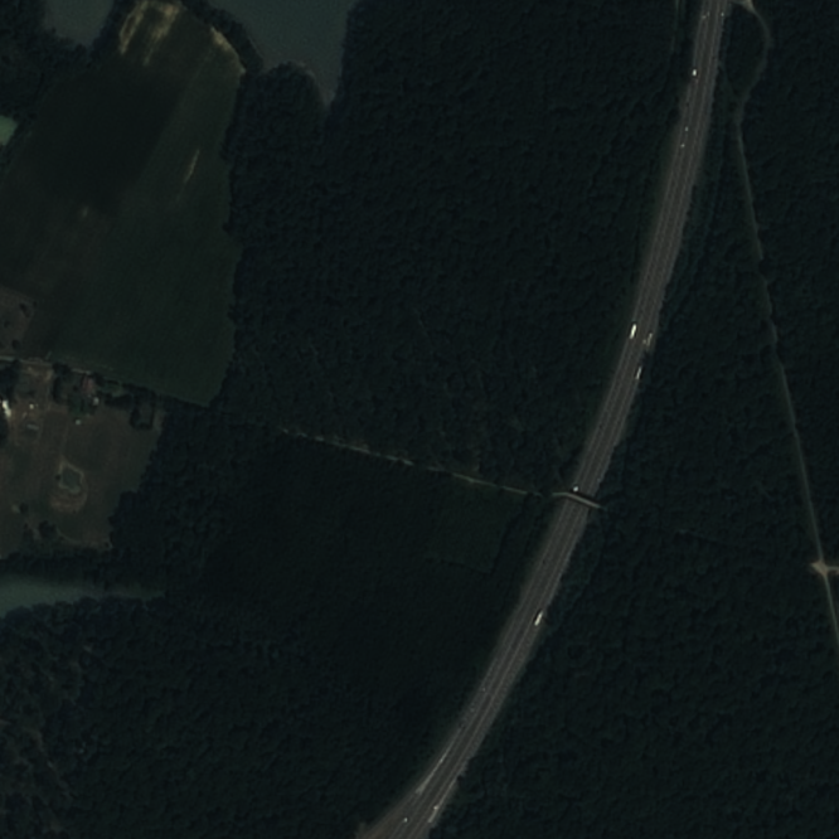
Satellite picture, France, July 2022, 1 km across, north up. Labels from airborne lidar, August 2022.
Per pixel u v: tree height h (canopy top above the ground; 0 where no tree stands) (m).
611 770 23
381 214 19
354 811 23
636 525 20
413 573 12
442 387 24
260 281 23
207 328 0
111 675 25
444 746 0
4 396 10
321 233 17
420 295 23
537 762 18
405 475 12
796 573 25
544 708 24
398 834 0
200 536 25
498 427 20
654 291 0
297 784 24
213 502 18
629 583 19
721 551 22
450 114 22
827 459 19
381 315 26
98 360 0
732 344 21
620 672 25
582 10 22
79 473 0
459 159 22
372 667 12
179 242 0
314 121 17
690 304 19
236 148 22
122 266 0
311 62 0
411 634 10
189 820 18
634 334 0
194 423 25
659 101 17
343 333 23
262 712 22
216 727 23
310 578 10
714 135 7
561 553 0
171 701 19
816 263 23
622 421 0
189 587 20
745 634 24
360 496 12
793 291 25
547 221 21
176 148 0
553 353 20
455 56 19
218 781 25
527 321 20
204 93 0
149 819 21
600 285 21
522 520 13
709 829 21
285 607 11
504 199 23
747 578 24
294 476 19
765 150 27
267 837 22
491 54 19
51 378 0
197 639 23
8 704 25
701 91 0
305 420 20
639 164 17
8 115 13
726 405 22
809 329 22
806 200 22
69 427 0
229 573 21
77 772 28
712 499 20
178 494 27
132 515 25
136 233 0
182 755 23
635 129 15
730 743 19
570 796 12
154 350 0
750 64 21
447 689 17
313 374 21
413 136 22
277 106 23
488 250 21
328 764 18
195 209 0
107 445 0
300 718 22
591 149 18
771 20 7
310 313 28
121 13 10
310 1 0
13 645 27
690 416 26
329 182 8
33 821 24
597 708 24
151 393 11
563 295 17
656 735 28
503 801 19
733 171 18
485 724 0
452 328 21
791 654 28
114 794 19
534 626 0
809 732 25
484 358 20
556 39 26
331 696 25
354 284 25
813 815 28
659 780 25
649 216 11
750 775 24
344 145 23
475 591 10
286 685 17
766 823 26
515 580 15
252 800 19
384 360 27
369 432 24
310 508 16
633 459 21
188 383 0
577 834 23
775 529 21
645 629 21
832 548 16
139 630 23
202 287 0
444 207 22
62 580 21
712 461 23
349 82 20
